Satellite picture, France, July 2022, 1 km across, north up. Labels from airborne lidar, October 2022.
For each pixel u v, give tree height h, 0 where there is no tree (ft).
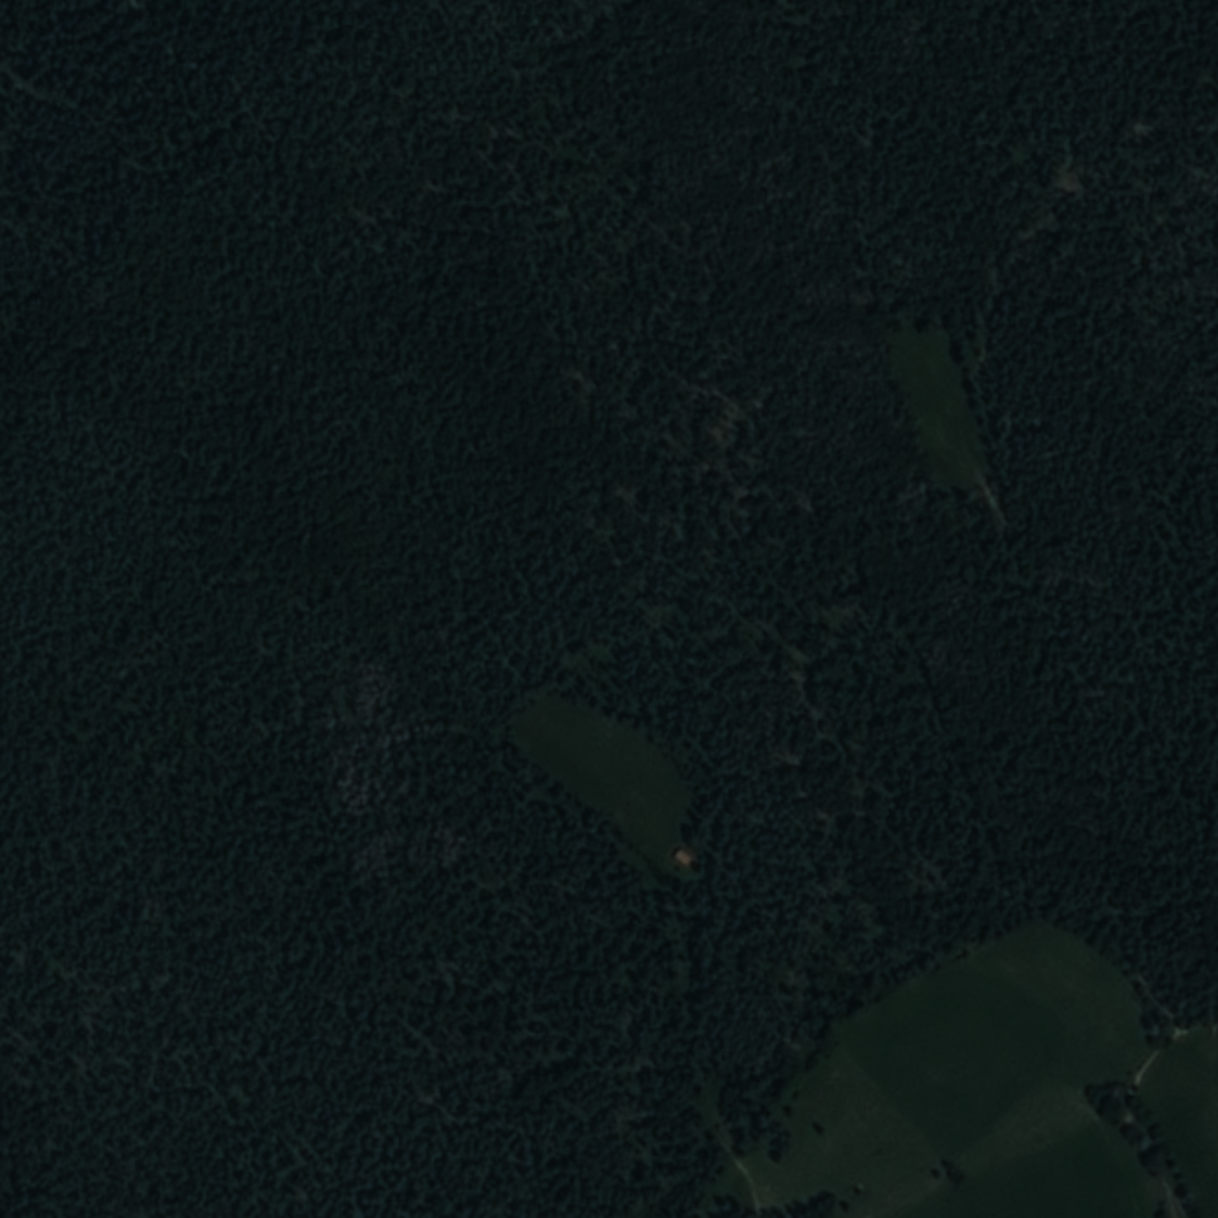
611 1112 59
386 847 63
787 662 70
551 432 58
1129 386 75
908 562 71
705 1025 89
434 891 87
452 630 27
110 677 73
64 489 82
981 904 60
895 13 59
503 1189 105
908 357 0
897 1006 0
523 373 66
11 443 69
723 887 78
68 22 88
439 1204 83
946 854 52
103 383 80
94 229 29
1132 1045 0
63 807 76
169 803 24
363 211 61
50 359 77
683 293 78
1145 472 46
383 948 40
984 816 69
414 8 62
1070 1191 0
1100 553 91
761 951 88
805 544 78
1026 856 38
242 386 53
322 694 38
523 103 41
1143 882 53
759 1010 68
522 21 32
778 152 77
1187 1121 0
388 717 57
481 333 73
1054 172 97
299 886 68
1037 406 89
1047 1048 0
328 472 67
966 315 72
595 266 58
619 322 50
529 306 53
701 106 66
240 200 56
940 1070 0
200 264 72
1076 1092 0
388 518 51
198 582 40
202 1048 78
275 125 65
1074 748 61
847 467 72
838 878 104
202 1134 75
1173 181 92
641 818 0
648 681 97
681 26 61
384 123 39
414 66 70
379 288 35
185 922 65
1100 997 0
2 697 58
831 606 83
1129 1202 0
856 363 64
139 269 43
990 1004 0
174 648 73
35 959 49
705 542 77
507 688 76
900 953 79
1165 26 64
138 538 64
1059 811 75
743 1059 76
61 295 82
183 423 67
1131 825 91
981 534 58
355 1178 55
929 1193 0
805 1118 0
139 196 105
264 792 27
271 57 61
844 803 73
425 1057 42
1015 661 62
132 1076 59
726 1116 27
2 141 79
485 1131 59
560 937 58
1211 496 41
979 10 64
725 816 97
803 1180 0
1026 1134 0
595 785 0
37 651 78
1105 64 27
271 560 63
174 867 68
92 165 85
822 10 68
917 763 48
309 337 52
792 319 65
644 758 0
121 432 66
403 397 74
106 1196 46
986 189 60
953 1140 0
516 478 74
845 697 77
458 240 81
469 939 39
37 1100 67
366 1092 50
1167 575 52
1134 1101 54
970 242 75
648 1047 78
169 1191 75
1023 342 67
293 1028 70
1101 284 66
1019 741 63
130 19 25
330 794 81
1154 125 80
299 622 25
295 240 63
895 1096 0
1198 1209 35
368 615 43
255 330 48
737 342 76
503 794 76
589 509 78
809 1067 29
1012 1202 0
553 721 0
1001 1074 0
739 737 67
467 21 47
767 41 87
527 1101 70
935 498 56
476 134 65
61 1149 54
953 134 85
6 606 65
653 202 81
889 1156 0
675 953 89
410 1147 64
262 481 58
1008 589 45
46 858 74
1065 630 79
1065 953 0
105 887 75
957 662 74
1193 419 47
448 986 45
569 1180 73
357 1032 41
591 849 95
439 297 64
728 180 67
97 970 69
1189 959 36
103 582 52
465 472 65
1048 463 95
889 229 62
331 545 48
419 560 61
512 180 53
